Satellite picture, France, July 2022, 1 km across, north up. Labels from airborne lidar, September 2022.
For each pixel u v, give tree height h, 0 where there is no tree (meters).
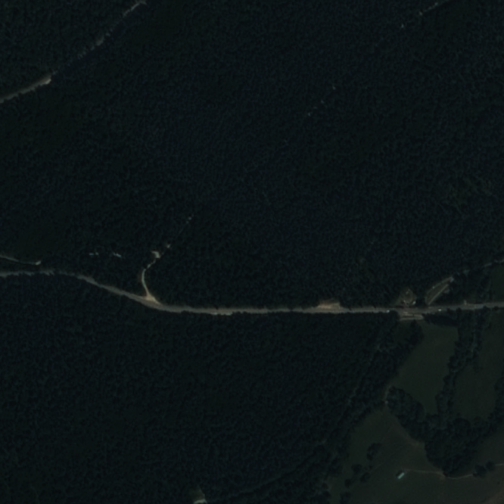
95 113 17
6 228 18
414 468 0
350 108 21
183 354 21
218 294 10
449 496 0
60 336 19
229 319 11
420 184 26
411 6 23
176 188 24
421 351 0
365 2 22
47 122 14
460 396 0
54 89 17
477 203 32
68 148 10
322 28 29
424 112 25
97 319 21
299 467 19
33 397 9
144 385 17
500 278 0
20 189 15
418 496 0
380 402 20
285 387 26
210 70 26
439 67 16
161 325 17
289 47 25
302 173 21
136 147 14
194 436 26
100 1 30
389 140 23
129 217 15
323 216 31
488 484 0
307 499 27
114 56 11
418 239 24
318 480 22
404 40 25
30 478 12
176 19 14
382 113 32
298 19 25
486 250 24
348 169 21
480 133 22
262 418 21
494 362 0
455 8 16
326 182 23
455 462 20
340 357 14
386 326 13
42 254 17
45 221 14
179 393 21
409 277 31
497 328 0
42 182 16
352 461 0
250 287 12
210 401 17
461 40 18
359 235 34
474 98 22
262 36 18
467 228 30
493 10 17
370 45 23
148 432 26
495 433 13
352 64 24
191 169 30
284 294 18
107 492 16
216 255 15
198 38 21
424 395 0
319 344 23
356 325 10
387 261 28
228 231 8
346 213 33
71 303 18
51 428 20
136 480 14
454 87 24
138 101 22
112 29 0
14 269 12
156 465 26
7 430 7
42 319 25
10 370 23
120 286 15
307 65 21
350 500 12
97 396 21
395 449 0
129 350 19
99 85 23
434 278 18
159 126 26
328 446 8
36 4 30
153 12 17
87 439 12
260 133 25
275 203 28
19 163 13
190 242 19
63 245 18
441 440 23
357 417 22
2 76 22
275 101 23
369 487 0
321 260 28
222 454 21
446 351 0
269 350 20
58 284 23
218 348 17
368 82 26
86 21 23
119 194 7
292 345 15
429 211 24
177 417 23
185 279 13
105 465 12
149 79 16
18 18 28
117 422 16
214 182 30
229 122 29
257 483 18
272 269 25
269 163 28
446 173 28
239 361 19
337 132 23
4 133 8
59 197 15
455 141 26
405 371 0
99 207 17
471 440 8
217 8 20
